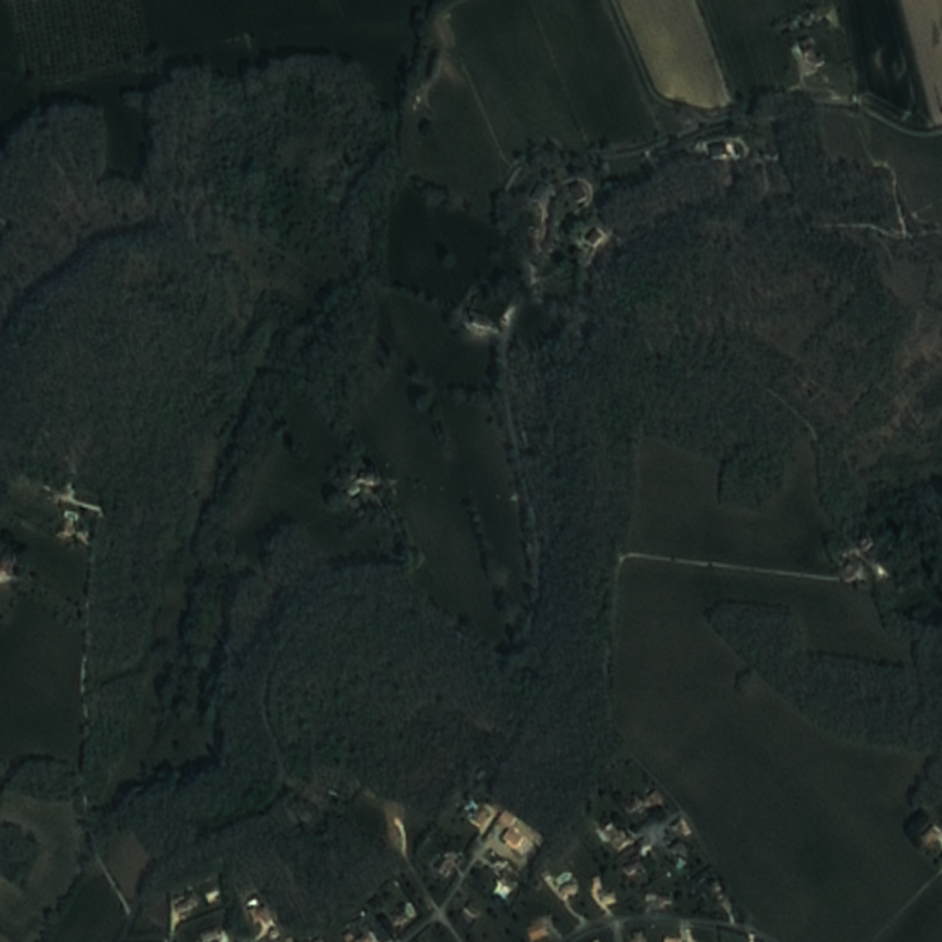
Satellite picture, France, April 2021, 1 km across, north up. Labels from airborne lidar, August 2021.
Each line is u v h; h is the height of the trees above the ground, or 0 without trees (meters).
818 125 13
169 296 9
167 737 0
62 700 0
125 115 0
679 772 0
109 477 14
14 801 0
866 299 14
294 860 16
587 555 11
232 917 12
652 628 0
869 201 11
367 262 16
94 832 19
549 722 17
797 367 9
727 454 10
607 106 0
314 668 12
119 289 15
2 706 0
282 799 13
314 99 6
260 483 0
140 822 18
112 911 0
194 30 0
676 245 12
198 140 7
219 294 19
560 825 20
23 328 10
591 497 9
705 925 0
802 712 11
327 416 13
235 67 0
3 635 0
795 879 0
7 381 11
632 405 14
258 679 14
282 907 17
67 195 12
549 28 0
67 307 10
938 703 16
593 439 10
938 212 0
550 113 0
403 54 0
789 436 12
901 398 8
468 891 0
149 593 25
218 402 14
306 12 0
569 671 16
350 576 20
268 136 6
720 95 0
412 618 19
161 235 14
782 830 0
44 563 0
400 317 0
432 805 9
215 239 19
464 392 10
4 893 0
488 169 0
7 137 18
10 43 0
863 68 0
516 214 14
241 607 24
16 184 23
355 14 0
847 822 0
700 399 10
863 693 16
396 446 0
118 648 22
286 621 17
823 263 10
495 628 0
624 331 7
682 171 19
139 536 22
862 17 0
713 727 0
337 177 6
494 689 16
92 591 15
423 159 0
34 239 8
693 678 0
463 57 0
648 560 0
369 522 9
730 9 0
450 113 0
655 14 0
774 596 0
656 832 0
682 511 0
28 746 0
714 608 7
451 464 0
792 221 10
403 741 10
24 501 0
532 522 14
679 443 11
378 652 12
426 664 14
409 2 0
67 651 0
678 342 8
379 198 29
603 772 11
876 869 0
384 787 11
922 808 17
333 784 16
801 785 0
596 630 10
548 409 10
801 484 0
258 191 21
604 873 13
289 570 20
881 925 0
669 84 0
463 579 0
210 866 19
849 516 18
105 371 16
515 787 15
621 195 21
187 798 26
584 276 13
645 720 0
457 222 0
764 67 0
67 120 29
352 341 28
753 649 17
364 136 15
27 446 13
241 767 24
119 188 19
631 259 9
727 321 12
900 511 7
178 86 23
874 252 6
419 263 0
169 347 14
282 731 13
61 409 13
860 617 0
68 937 0
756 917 0
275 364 17
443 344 0
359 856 18
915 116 0
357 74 23
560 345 18
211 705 22
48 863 0
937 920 0
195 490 23
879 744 13
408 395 0
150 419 16
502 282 20
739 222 10
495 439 0
